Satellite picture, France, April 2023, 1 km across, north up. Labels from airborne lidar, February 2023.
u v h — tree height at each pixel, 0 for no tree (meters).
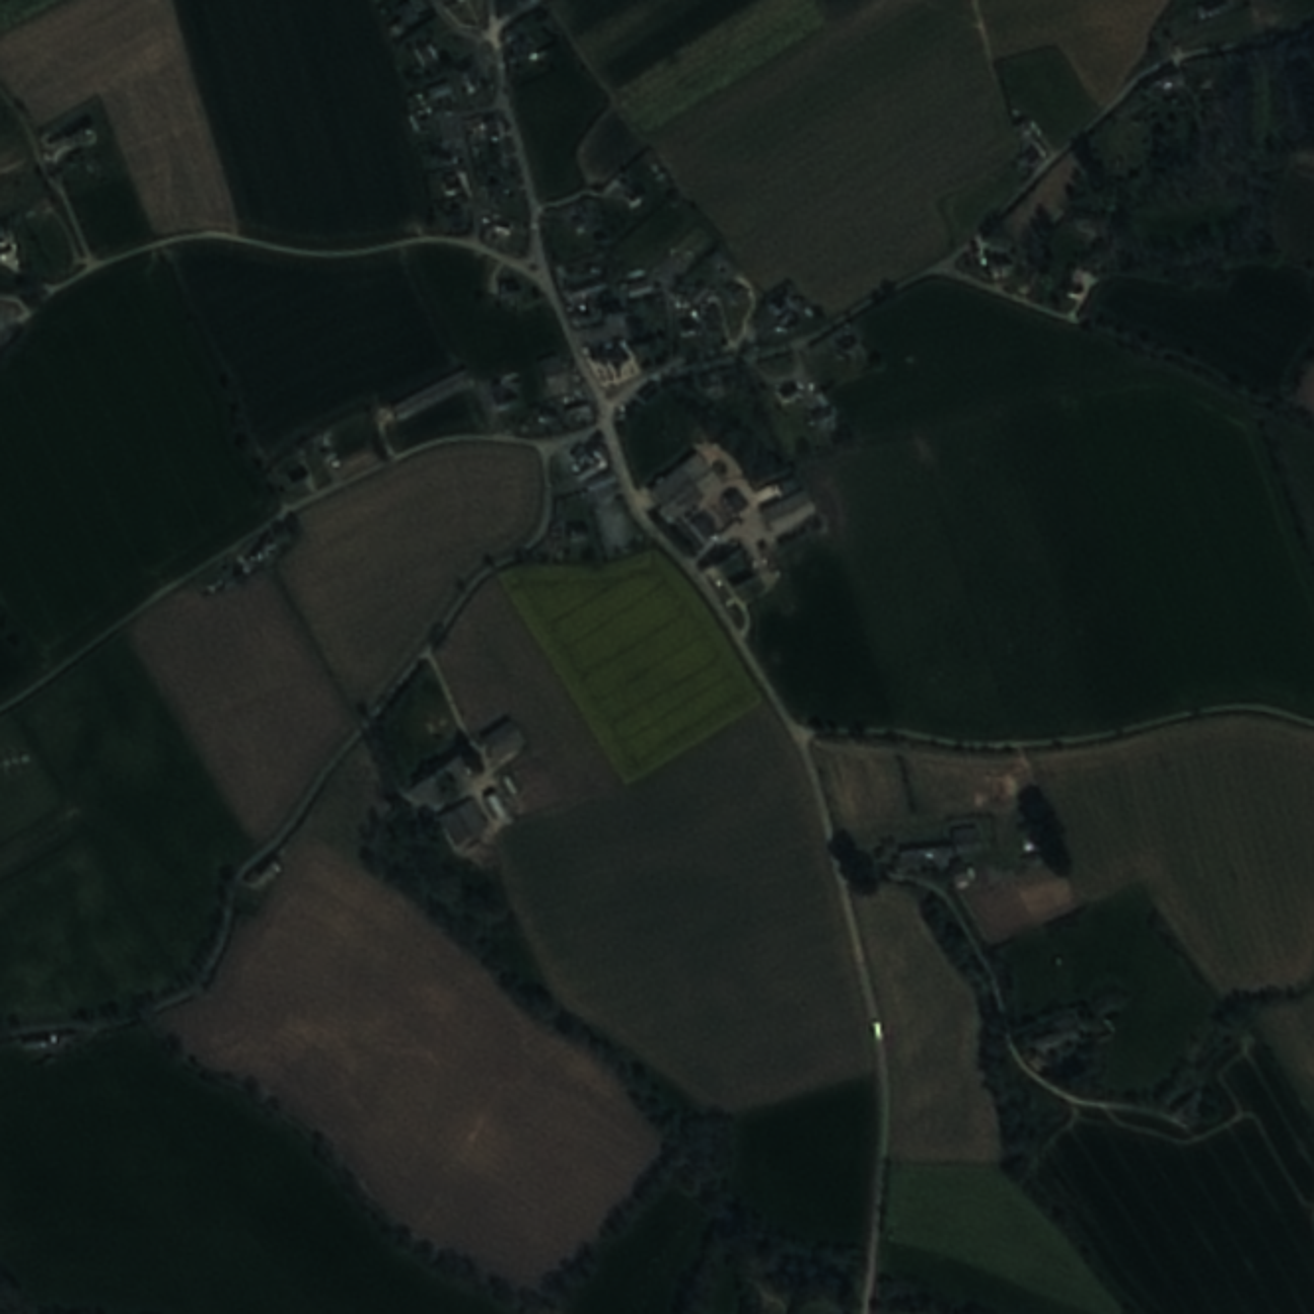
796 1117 0
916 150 0
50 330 0
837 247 0
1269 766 0
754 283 0
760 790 0
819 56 0
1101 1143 0
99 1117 0
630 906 0
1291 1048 0
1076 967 0
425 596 0
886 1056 0
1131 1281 0
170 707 0
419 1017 0
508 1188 0
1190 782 0
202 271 0
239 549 0
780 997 0
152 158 0
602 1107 0
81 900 0
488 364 0
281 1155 0
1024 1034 6
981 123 0
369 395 0
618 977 0
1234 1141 0
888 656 0
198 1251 0
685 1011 0
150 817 0
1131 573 0
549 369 0
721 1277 7
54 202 6
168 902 0
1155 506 0
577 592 0
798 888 0
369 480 0
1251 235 20
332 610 0
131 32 0
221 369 0
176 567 0
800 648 0
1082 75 0
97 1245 0
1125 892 0
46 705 0
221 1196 0
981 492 0
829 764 0
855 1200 0
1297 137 15
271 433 0
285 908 0
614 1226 12
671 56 0
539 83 0
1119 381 0
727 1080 0
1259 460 0
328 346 0
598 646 0
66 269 0
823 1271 24
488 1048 0
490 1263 0
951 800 0
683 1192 15
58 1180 0
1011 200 0
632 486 0
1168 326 0
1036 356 0
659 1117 10
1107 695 0
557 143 0
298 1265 0
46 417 0
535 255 0
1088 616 0
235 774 0
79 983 0
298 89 0
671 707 0
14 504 0
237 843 0
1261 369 0
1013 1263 0
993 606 0
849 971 0
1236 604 0
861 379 0
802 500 0
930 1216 0
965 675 0
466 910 12
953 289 0
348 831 0
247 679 0
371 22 0
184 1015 0
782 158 0
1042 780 0
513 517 0
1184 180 15
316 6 0
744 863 0
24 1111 0
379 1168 0
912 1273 0
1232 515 0
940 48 0
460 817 0
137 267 0
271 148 0
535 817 0
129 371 0
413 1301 0
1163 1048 0
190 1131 0
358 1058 0
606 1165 0
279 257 0
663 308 6
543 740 0
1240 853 0
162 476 0
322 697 0
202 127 0
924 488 0
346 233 0
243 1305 0
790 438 0
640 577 0
